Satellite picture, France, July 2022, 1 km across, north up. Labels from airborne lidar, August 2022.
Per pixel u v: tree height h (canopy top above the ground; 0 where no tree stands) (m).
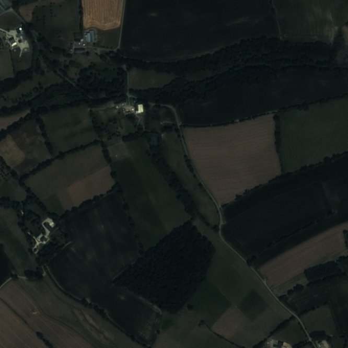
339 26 0
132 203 0
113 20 0
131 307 0
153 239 0
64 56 12
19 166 0
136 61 15
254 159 0
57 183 0
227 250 0
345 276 9
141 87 0
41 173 0
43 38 16
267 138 0
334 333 0
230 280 0
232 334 0
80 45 0
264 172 0
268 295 0
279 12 0
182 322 0
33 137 0
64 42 0
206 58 19
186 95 12
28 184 0
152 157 8
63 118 0
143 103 10
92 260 0
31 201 23
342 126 0
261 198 0
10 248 0
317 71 7
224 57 18
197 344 0
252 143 0
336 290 0
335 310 0
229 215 0
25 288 0
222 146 0
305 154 0
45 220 0
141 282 16
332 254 0
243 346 0
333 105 0
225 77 22
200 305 0
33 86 0
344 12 0
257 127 0
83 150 11
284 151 0
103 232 0
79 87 13
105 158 13
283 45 14
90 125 0
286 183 0
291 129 0
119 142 0
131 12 0
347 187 0
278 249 0
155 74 0
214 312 0
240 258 0
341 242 0
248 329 0
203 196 0
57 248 20
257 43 14
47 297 0
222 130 0
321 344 0
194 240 21
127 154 0
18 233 0
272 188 0
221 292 0
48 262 24
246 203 0
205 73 0
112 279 0
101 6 0
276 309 0
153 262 19
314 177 0
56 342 0
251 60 16
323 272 26
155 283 23
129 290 14
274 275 0
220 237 0
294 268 0
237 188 0
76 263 0
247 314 0
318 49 17
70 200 0
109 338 0
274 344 0
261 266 0
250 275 0
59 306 0
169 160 0
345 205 0
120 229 0
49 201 0
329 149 0
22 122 13
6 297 0
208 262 19
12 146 0
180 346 0
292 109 7
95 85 12
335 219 0
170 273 20
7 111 20
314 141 0
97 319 0
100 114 0
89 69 9
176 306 19
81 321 0
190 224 15
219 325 0
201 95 17
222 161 0
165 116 0
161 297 19
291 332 0
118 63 8
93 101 13
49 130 0
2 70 0
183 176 0
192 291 19
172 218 0
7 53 0
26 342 0
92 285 0
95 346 0
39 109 7
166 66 14
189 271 22
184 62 11
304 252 0
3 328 0
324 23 0
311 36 0
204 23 0
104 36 0
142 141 0
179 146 0
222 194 0
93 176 0
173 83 9
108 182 0
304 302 0
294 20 0
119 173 0
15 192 0
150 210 0
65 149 0
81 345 0
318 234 0
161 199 0
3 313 0
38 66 8
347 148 0
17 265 0
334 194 0
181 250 26
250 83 16
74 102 9
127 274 16
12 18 0
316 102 6
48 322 0
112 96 12
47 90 14
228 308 0
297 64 18
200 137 0
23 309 0
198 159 0
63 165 0
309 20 0
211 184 0
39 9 0
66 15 0
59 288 8
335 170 0
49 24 0
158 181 0
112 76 0
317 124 0
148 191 0
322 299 0
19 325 0
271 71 16
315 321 0
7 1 0
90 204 14
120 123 0
